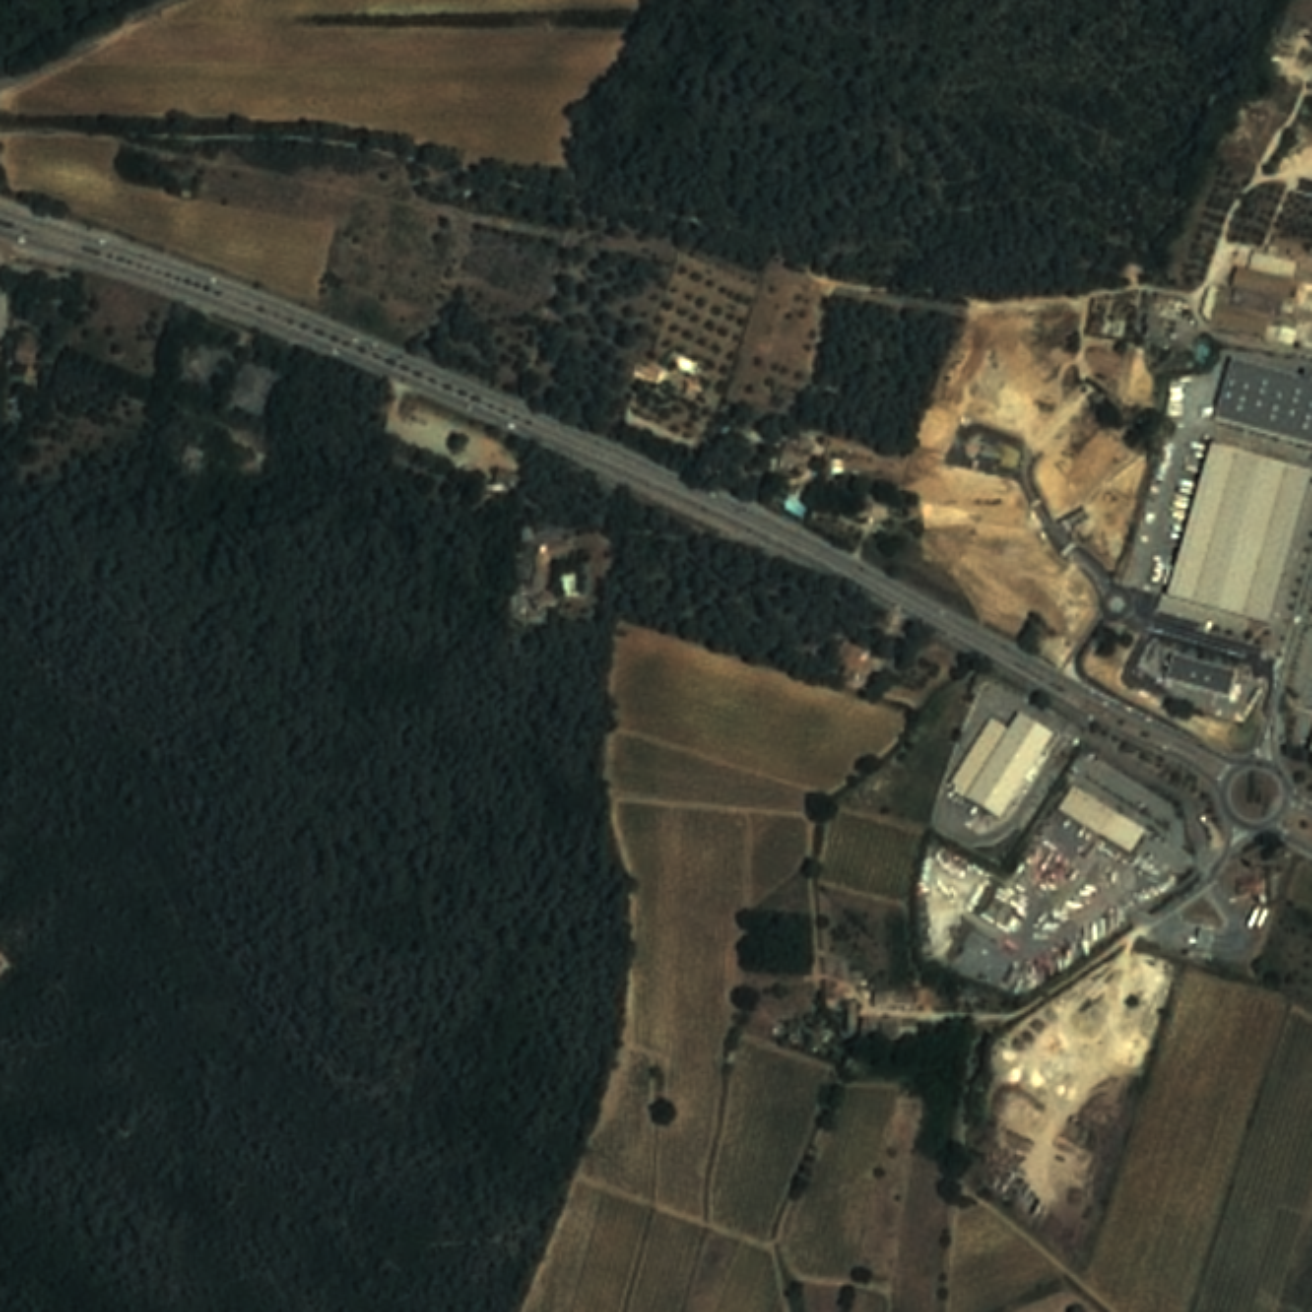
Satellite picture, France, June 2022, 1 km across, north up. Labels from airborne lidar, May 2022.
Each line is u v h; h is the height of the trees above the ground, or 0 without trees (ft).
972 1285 0
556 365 64
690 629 61
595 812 62
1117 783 0
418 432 0
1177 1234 0
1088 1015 0
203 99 0
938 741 0
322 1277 22
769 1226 0
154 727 19
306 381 58
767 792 0
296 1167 32
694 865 0
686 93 67
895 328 49
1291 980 25
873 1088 0
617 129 69
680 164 49
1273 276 0
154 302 0
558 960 23
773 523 0
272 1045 30
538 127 0
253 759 57
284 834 47
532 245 51
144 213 0
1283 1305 0
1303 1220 0
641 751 0
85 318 29
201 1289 22
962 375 0
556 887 73
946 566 0
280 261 0
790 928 47
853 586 51
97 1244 21
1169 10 24
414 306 0
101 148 0
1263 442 0
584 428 31
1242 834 0
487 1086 38
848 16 59
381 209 0
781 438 60
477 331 53
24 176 0
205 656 49
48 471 22
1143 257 52
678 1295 0
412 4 0
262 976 50
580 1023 73
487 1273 37
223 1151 30
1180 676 0
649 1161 0
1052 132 33
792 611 71
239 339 20
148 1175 22
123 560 60
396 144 64
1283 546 0
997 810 0
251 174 0
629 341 69
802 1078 0
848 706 0
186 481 57
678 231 61
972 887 0
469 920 75
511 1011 42
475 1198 52
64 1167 54
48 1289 43
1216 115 74
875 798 0
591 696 69
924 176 53
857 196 58
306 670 71
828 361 56
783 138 57
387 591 66
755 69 67
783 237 62
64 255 0
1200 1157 0
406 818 79
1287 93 0
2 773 30
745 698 0
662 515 55
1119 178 31
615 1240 0
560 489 56
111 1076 36
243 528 29
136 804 63
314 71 0
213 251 0
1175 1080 0
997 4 31
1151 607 0
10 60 30
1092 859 0
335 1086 49
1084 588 0
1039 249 59
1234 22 64
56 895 32
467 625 58
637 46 82
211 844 20
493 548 43
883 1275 0
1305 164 0
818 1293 0
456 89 0
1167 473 0
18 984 30
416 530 76
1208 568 0
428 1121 29
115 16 52
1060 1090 0
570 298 51
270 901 22
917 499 44
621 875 69
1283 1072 0
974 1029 52
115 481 59
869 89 56
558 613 30
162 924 22
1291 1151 0
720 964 0
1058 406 0
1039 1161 0
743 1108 0
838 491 53
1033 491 0
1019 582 0
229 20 0
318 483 37
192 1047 26
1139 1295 0
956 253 41
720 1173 0
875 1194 0
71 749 20
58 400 42
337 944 48
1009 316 0
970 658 40
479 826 61
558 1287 0
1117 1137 0
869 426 49
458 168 57
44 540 46
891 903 0
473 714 70
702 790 0
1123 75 34
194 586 65
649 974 0
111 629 46
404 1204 52
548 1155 40
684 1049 0
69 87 0
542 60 0
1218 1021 0
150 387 52
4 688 25
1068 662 0
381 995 67
